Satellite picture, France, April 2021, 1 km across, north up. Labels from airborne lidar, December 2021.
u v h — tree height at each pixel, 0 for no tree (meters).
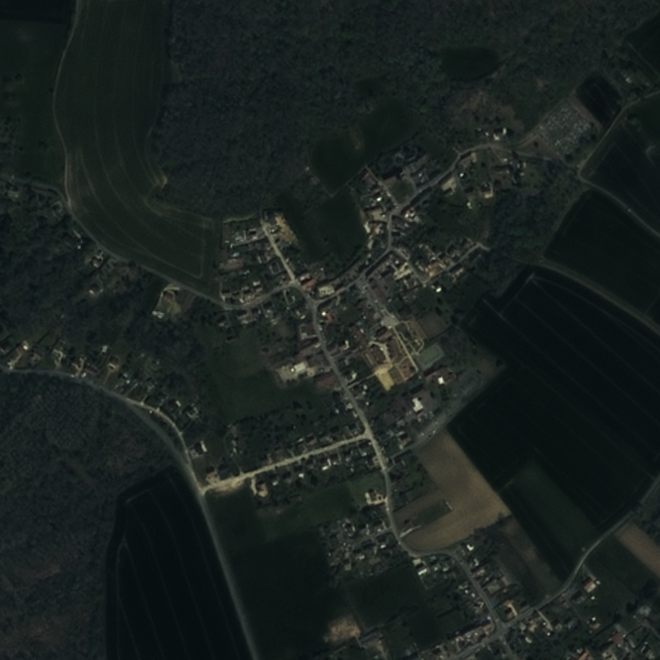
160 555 0
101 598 15
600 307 0
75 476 20
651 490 0
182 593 0
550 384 0
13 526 21
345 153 0
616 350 0
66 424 35
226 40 26
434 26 21
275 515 0
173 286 0
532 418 0
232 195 18
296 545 0
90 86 0
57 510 8
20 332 23
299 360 0
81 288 0
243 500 0
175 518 0
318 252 0
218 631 0
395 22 24
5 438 28
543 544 0
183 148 17
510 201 18
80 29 0
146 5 0
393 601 0
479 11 16
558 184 0
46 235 19
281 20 15
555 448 0
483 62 0
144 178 0
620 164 0
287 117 23
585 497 0
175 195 14
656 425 0
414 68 23
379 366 0
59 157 0
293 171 23
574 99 0
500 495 0
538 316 0
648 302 0
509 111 0
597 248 0
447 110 20
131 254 0
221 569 0
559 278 0
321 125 16
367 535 0
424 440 0
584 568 0
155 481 0
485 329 0
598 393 0
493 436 0
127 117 0
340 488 0
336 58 27
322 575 0
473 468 0
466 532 0
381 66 16
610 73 11
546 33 19
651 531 9
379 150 0
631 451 0
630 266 0
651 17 20
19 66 0
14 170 11
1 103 0
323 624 0
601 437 0
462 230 0
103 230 0
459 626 0
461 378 0
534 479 0
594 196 0
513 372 0
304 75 18
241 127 21
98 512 9
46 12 0
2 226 12
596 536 0
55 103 0
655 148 0
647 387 0
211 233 0
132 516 0
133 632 0
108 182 0
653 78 0
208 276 0
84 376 0
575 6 21
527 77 18
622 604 0
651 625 9
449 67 0
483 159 0
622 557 0
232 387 0
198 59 22
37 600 16
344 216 0
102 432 24
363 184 6
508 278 20
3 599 15
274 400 0
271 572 0
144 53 0
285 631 0
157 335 13
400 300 7
